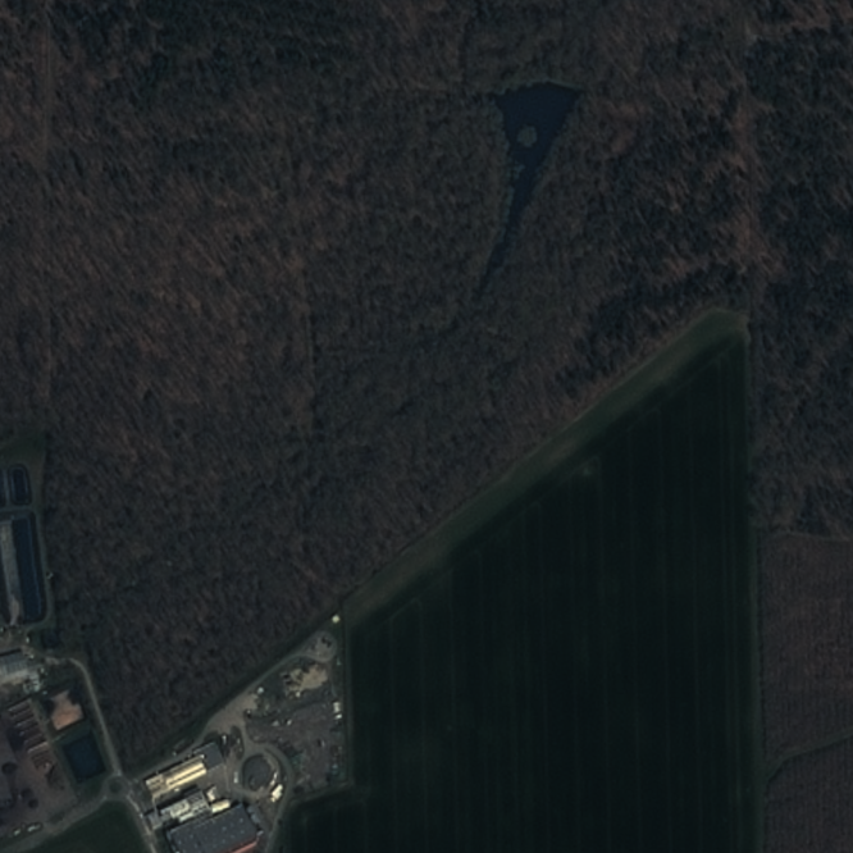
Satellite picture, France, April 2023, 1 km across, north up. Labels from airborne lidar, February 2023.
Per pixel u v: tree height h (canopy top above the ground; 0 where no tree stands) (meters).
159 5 17
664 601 0
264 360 23
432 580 0
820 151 18
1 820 0
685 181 24
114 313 26
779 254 22
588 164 9
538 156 0
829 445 27
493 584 0
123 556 25
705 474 0
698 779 0
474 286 14
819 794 8
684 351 0
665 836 0
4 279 25
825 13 21
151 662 24
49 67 0
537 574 0
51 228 26
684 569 0
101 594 27
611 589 0
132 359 26
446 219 23
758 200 20
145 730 24
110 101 22
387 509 22
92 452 22
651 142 19
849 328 20
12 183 26
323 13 17
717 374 0
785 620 7
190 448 27
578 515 0
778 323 22
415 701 0
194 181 25
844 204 24
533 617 0
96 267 26
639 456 0
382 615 0
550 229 18
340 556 21
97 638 19
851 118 20
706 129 20
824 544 9
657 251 21
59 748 0
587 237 11
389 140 16
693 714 0
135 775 14
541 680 0
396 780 0
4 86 28
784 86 22
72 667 13
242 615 20
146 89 20
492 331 22
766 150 22
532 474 0
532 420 20
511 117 0
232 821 0
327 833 0
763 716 7
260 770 0
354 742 0
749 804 0
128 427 25
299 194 21
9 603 0
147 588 17
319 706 0
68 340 24
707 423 0
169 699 11
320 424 14
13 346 24
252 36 17
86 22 25
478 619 0
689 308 16
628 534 0
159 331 25
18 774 0
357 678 0
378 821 0
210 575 17
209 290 23
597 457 0
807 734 8
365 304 14
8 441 16
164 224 27
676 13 28
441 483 23
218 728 0
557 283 19
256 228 23
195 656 24
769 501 27
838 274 20
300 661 0
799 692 7
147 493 25
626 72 25
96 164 23
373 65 20
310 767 0
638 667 0
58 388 27
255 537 17
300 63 20
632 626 0
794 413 23
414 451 22
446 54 19
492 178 25
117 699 24
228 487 22
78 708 0
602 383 11
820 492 26
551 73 20
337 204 24
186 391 26
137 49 25
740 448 0
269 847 0
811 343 21
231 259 26
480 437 11
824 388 23
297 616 20
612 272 22
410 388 21
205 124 24
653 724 0
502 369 14
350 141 26
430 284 19
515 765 0
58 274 29
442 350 21
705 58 21
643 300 24
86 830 0
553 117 0
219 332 26
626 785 0
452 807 0
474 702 0
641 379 0
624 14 25
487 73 10
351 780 0
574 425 0
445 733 0
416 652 0
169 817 0
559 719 0
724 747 0
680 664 0
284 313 20
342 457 11
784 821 8
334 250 22
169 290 21
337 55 18
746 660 0
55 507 22
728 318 0
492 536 0
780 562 9
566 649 0
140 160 28
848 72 23
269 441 21
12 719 0
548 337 18
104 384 27
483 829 0
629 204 22
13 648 0
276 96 27
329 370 19
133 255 23
